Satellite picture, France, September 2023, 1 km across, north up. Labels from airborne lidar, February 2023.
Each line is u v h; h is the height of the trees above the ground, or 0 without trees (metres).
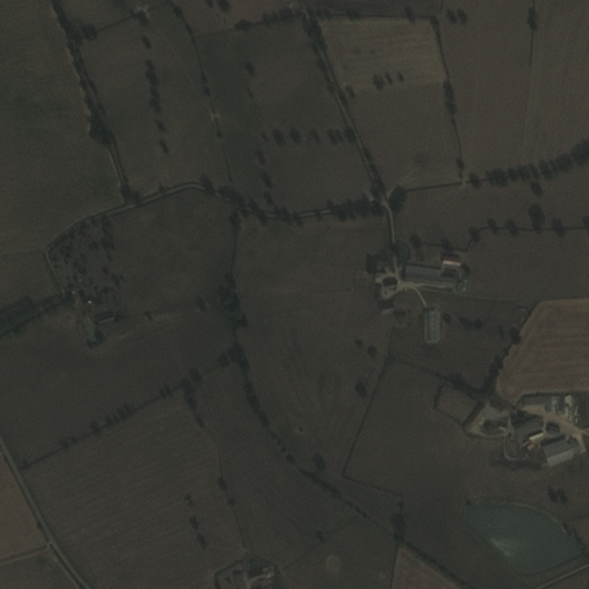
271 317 0
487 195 0
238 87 0
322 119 0
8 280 0
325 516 0
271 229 0
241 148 0
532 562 0
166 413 0
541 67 0
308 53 0
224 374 0
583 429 0
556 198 0
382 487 0
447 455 0
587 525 0
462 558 0
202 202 0
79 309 0
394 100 0
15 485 0
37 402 0
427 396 0
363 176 0
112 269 0
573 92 0
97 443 0
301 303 0
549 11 0
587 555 0
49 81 0
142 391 0
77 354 0
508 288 0
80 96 0
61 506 0
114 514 0
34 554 0
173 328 0
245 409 0
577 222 0
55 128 0
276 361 0
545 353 0
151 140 0
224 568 0
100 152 0
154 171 0
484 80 0
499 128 0
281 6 0
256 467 0
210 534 0
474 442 0
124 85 0
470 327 9
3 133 0
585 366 0
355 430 0
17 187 0
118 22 0
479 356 0
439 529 0
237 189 0
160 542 0
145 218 0
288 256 0
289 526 0
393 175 0
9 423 0
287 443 0
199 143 0
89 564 0
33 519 0
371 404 0
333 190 0
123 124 0
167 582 0
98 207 0
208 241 0
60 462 0
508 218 0
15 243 0
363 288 0
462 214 0
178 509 0
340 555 0
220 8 12
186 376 0
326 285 0
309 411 0
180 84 0
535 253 0
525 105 0
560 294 0
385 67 0
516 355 0
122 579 0
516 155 0
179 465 0
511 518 0
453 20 15
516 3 0
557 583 0
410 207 0
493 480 0
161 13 0
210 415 0
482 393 9
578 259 0
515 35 0
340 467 0
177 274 0
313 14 15
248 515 0
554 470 0
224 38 0
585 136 0
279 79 0
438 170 0
